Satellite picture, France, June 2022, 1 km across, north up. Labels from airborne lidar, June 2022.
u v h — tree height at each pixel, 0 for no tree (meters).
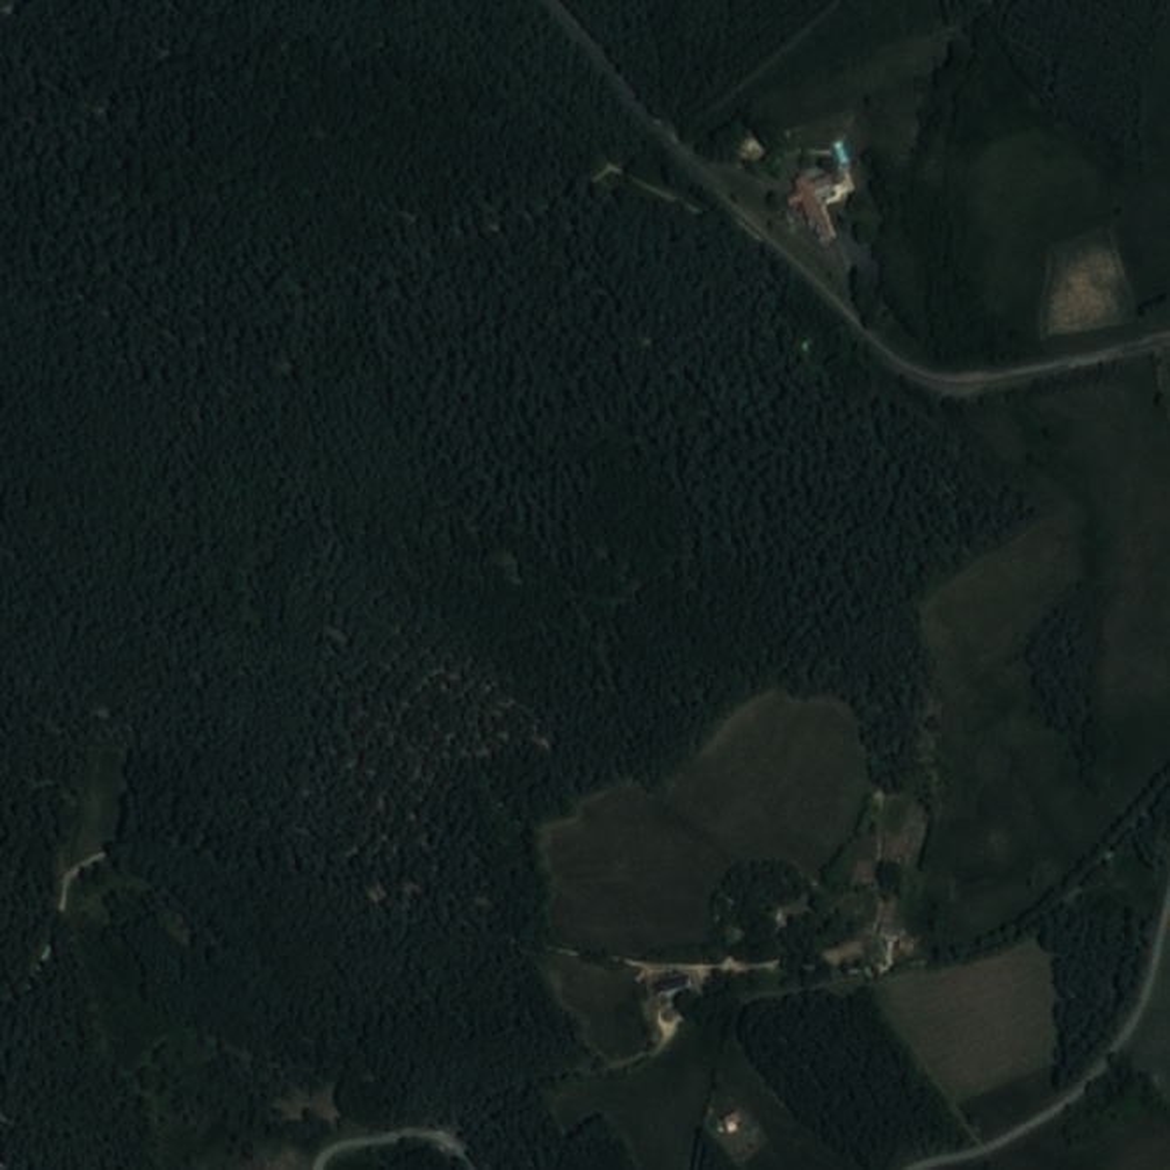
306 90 19
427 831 13
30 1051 27
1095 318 0
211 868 30
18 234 17
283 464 6
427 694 14
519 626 16
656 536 10
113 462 21
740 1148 0
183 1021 11
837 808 0
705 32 21
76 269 27
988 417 0
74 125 29
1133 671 0
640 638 15
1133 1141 0
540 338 25
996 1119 0
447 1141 0
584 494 25
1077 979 21
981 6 15
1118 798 0
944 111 12
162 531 20
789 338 26
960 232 7
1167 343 0
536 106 13
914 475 20
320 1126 17
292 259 20
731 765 0
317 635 20
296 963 24
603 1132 23
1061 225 0
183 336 19
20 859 24
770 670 13
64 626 26
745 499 22
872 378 16
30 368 17
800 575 26
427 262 27
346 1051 16
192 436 14
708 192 20
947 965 14
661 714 17
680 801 0
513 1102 27
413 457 15
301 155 20
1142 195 0
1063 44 14
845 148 0
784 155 16
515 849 10
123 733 19
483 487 17
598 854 0
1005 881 0
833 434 24
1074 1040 22
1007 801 0
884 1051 18
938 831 8
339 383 13
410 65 18
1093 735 13
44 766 23
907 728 14
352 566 17
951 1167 0
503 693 12
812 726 0
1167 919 0
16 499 21
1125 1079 10
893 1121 22
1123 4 15
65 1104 20
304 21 22
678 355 23
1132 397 0
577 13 22
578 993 0
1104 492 0
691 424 23
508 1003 20
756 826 0
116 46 26
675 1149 0
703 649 17
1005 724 0
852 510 25
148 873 28
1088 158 0
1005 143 0
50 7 29
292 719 21
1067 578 0
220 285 23
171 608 20
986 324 7
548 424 27
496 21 24
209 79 12
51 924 21
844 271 0
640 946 0
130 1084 14
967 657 0
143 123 10
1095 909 9
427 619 16
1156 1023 0
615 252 24
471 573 13
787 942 13
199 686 9
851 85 0
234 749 20
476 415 18
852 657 15
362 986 19
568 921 0
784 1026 19
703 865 0
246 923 32
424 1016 18
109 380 19
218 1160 0
